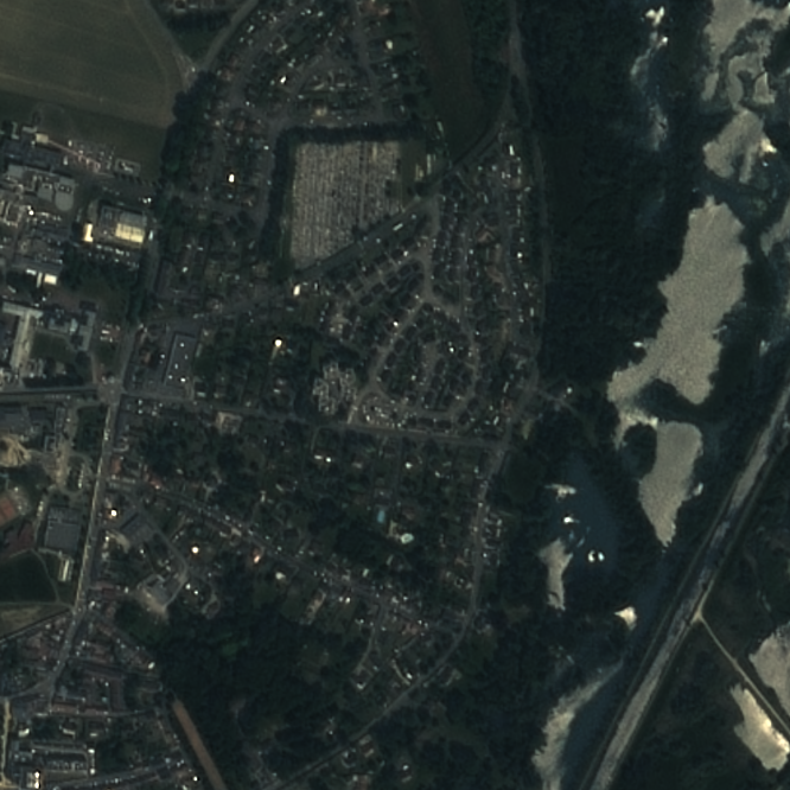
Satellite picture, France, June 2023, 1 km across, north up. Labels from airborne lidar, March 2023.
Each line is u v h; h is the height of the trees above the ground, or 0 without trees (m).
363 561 11
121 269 18
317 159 0
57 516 0
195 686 18
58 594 0
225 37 0
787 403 0
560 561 0
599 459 15
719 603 0
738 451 8
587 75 6
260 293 0
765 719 0
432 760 8
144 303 14
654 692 0
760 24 0
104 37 0
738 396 13
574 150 0
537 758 0
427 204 0
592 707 0
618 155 8
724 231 0
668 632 0
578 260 10
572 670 9
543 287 0
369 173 0
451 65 0
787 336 0
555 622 32
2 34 0
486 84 17
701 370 0
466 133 0
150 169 0
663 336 0
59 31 0
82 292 0
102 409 10
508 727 27
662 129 0
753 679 0
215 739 20
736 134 0
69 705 0
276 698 23
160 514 0
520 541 14
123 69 0
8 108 0
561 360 17
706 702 17
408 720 15
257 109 0
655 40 0
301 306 0
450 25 0
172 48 0
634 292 12
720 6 0
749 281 0
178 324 0
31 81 0
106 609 0
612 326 15
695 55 0
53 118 0
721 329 0
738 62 0
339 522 13
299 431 15
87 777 0
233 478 10
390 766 12
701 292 0
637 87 0
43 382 17
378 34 0
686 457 0
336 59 0
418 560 8
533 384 0
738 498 0
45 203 0
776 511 6
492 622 20
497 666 13
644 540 16
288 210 0
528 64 27
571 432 22
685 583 0
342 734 22
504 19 15
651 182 6
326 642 16
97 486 0
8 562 0
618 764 0
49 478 6
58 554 0
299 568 0
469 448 0
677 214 8
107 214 0
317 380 0
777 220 0
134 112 0
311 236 0
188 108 19
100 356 0
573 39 7
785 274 0
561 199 0
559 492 0
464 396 0
